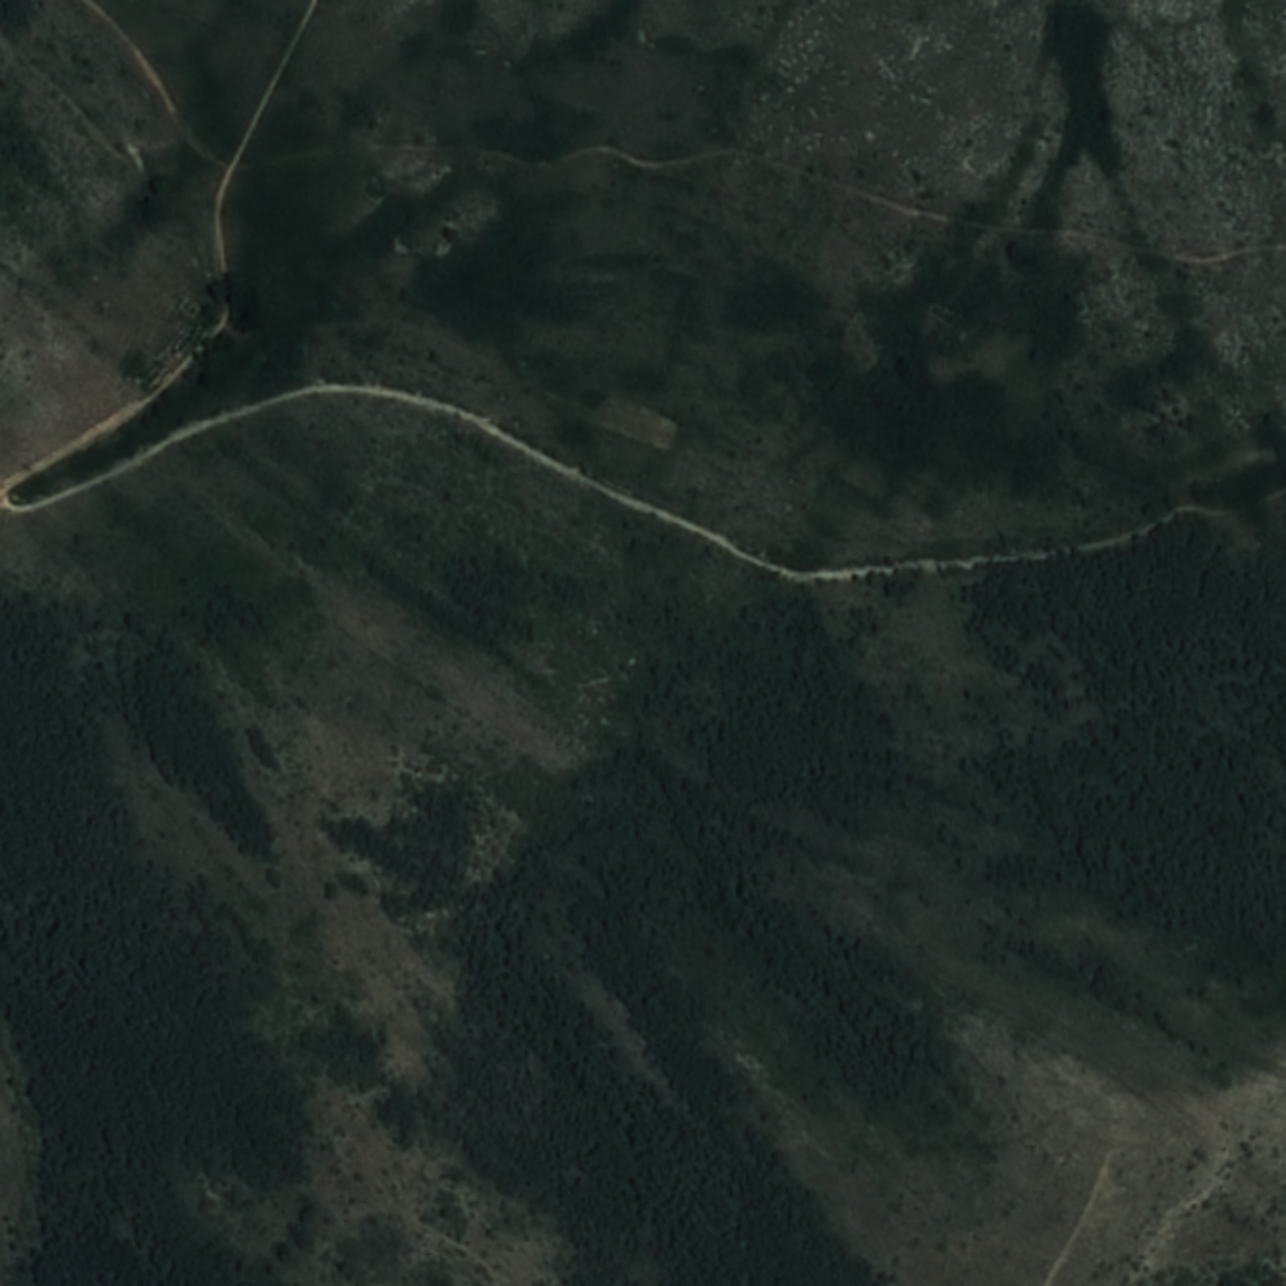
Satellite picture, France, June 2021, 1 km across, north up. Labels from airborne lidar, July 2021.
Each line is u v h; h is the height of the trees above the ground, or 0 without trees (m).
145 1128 9
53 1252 11
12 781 12
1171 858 11
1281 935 8
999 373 0
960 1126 0
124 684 7
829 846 0
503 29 0
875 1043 9
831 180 0
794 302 0
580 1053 12
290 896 0
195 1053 11
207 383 12
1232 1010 0
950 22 0
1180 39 0
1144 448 0
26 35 0
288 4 0
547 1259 0
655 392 0
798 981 11
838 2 0
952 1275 0
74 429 0
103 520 0
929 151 0
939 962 0
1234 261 0
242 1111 9
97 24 0
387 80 0
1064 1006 0
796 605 7
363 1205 0
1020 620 9
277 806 0
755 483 0
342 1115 0
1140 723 12
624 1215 12
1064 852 7
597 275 0
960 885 0
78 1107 12
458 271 0
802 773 10
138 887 9
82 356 0
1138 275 0
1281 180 0
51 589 0
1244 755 10
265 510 0
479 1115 7
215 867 0
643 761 10
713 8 0
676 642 6
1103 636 11
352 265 0
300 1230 9
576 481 0
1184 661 9
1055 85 0
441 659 0
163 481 0
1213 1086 0
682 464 0
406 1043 0
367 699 0
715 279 0
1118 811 11
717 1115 7
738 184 0
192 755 8
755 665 7
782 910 10
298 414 0
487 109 0
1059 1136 0
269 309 0
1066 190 0
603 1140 13
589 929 9
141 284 0
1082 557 9
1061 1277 0
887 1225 0
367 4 0
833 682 11
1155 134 0
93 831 8
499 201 0
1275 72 0
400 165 0
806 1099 6
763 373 0
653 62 0
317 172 0
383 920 0
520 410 0
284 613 0
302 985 0
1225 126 0
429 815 6
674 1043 6
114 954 7
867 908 0
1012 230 0
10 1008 10
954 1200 0
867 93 0
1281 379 0
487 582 6
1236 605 14
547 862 6
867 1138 0
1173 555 12
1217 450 0
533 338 0
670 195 0
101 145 0
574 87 0
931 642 0
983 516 0
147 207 12
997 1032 0
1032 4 0
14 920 9
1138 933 0
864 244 0
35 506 0
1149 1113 0
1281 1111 0
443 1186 0
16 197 7
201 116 0
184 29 0
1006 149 0
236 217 0
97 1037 15
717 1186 8
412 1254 0
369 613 0
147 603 0
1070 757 7
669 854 8
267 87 0
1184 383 0
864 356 0
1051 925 0
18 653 8
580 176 0
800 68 0
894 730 8
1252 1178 0
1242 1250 0
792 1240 9
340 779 0
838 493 0
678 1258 8
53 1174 10
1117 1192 0
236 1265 6
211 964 9
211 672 0
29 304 0
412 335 0
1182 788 14
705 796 11
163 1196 8
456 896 7
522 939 9
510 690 0
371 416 0
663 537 8
